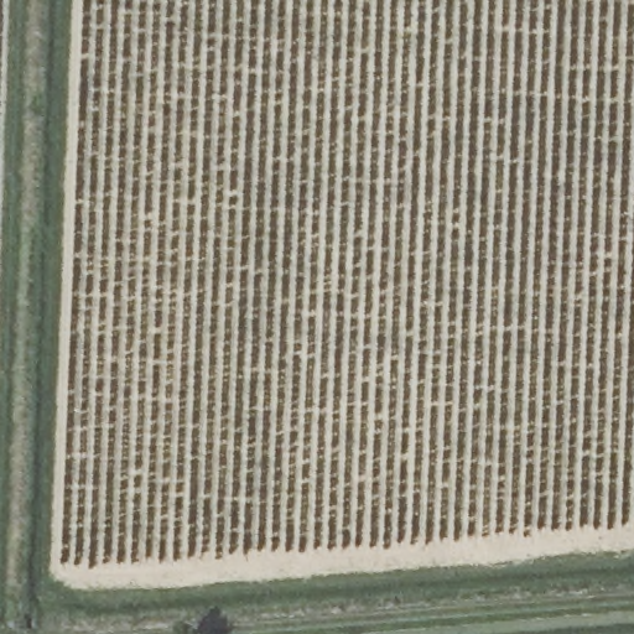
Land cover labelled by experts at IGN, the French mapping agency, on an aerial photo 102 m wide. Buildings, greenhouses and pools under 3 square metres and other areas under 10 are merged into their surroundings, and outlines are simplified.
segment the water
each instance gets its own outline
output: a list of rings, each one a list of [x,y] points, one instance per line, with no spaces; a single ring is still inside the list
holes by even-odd
[[[510,619],[364,634],[510,634],[518,632]]]

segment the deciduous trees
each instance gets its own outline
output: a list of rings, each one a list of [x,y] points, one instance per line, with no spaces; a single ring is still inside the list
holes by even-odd
[[[518,632],[510,634],[634,634],[634,624]]]
[[[50,572],[37,584],[37,597],[45,614],[69,614],[77,619],[126,614],[131,624],[168,622],[178,634],[201,634],[198,622],[208,612],[220,612],[220,617],[228,619],[228,634],[364,634],[510,619],[634,612],[634,550],[567,552],[535,557],[528,562],[500,565],[344,572],[263,582],[213,582],[198,587],[72,589],[64,582],[54,580]]]

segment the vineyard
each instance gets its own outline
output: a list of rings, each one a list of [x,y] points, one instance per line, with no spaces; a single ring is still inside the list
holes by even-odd
[[[634,0],[84,0],[74,186],[74,267],[69,322],[62,562],[97,567],[106,562],[141,562],[151,557],[154,547],[159,547],[159,560],[188,560],[193,555],[208,552],[211,535],[215,535],[218,560],[230,552],[250,550],[305,552],[315,547],[376,547],[379,523],[384,523],[384,547],[391,547],[399,542],[416,540],[461,540],[468,535],[488,537],[490,515],[495,515],[495,532],[515,532],[518,525],[525,525],[525,537],[532,535],[532,528],[572,530],[580,525],[614,528],[634,523]]]
[[[0,624],[20,622],[25,629],[32,629],[32,619],[45,622],[45,614],[37,597],[37,584],[50,572],[50,570],[72,0],[0,0]]]

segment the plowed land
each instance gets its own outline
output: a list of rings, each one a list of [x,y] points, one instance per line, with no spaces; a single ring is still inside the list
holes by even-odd
[[[525,525],[518,525],[515,532],[495,532],[495,515],[490,515],[488,537],[468,535],[461,540],[416,540],[399,542],[391,547],[384,547],[384,523],[379,523],[376,547],[315,547],[305,552],[250,550],[230,552],[218,560],[215,535],[211,535],[208,552],[193,555],[188,560],[159,560],[159,547],[154,547],[151,557],[141,562],[106,562],[97,567],[62,562],[50,570],[50,572],[54,580],[64,582],[72,589],[198,587],[213,582],[263,582],[344,572],[500,565],[528,562],[535,557],[567,552],[634,550],[634,523],[614,528],[580,525],[572,530],[532,528],[532,535],[525,537]]]

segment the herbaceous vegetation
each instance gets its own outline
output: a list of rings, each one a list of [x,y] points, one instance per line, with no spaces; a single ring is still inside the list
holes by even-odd
[[[168,622],[131,624],[126,614],[77,619],[69,614],[45,614],[45,622],[32,619],[32,629],[25,629],[20,622],[0,624],[0,634],[178,634]]]
[[[198,622],[201,634],[228,634],[228,619],[220,617],[220,612],[208,612]]]
[[[72,0],[50,570],[62,562],[69,322],[74,267],[74,186],[84,0]]]
[[[510,619],[518,632],[634,624],[634,612]]]

